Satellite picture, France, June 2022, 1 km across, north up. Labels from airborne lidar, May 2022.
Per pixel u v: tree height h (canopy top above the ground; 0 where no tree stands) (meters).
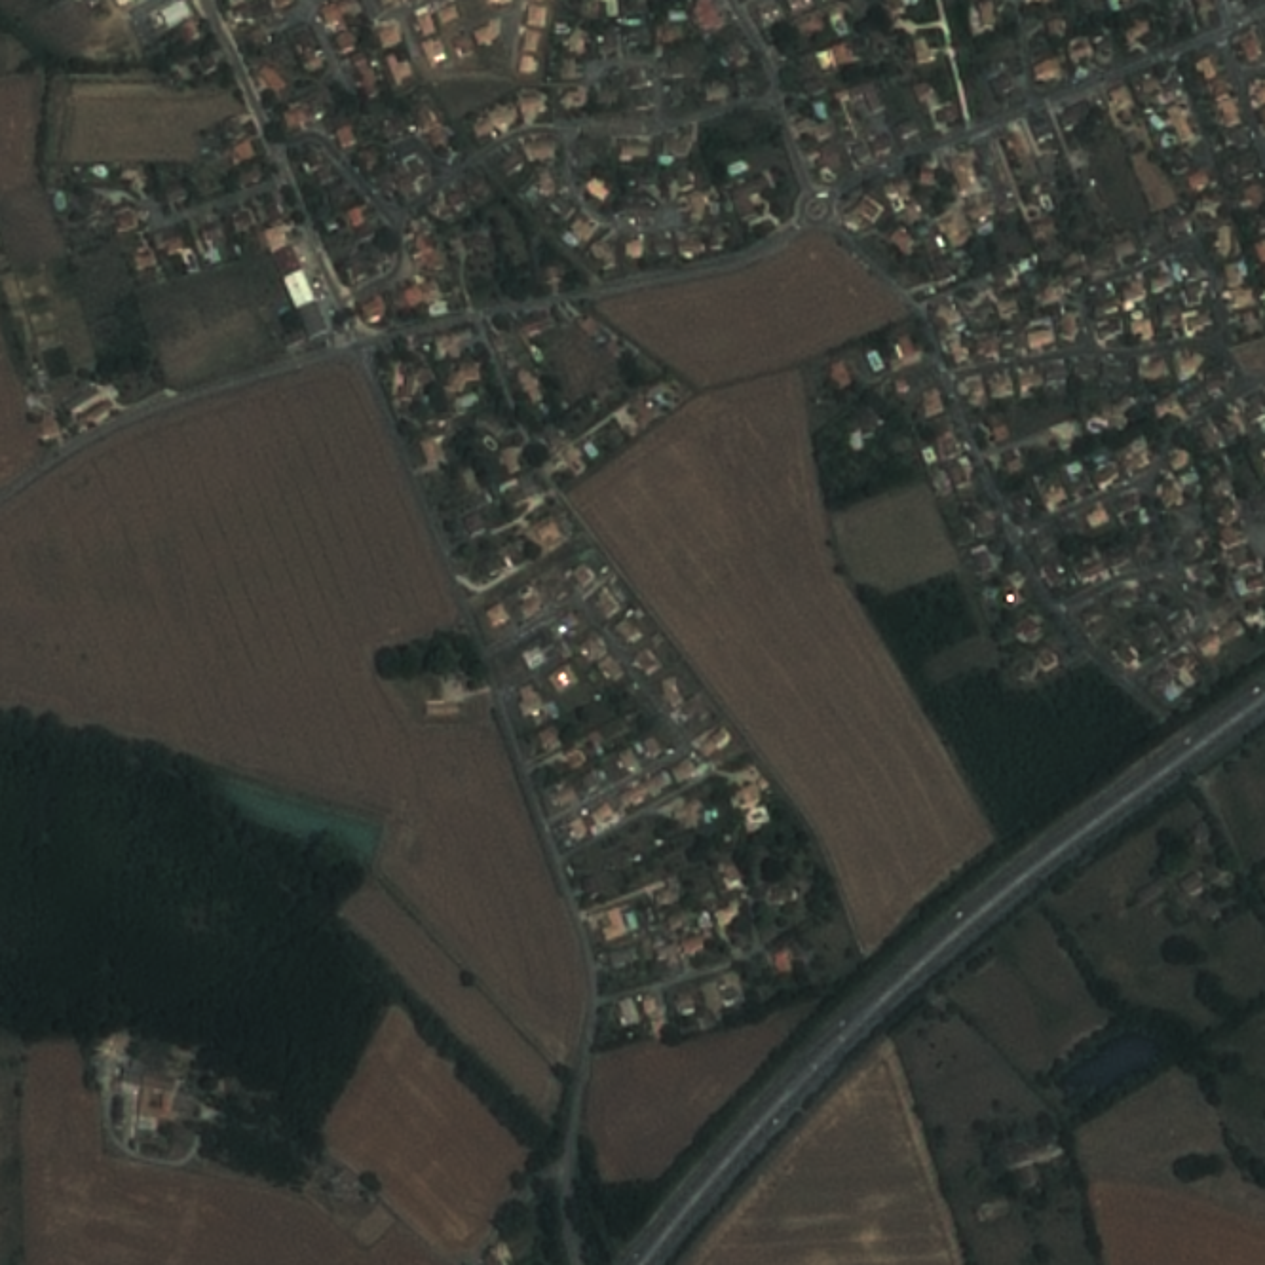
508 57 0
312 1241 0
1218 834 11
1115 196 0
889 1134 0
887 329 7
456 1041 20
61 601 0
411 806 0
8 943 8
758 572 0
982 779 7
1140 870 0
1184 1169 16
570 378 0
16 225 0
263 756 0
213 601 0
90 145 0
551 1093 0
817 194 0
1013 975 0
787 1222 0
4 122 0
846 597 0
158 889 10
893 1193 0
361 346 0
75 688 0
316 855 22
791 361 0
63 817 10
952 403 6
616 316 0
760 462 0
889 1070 0
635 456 0
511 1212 21
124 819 9
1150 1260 0
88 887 8
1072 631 6
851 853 0
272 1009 17
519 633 0
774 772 0
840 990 8
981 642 0
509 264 15
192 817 13
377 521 0
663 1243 0
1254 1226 0
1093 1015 0
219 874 11
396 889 0
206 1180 0
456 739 0
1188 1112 0
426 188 0
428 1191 0
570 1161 0
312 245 0
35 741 13
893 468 6
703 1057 0
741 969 8
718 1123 12
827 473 6
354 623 0
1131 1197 0
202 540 0
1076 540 10
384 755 0
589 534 0
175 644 0
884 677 0
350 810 0
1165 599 8
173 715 0
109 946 13
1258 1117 0
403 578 0
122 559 0
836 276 0
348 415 0
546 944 0
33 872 10
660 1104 0
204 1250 0
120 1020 8
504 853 0
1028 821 15
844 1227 0
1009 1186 16
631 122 0
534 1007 0
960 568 0
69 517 0
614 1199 14
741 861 11
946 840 0
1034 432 0
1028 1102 0
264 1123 9
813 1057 0
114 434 0
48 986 15
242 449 0
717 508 0
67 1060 0
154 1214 0
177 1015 16
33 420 10
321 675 0
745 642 0
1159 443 6
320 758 0
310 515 0
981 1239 0
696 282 0
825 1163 0
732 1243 0
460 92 0
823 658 0
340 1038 15
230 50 0
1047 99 0
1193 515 0
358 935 15
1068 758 13
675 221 0
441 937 0
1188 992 0
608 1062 0
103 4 0
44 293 0
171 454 0
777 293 0
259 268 0
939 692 7
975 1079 0
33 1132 0
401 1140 0
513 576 0
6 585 0
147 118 0
